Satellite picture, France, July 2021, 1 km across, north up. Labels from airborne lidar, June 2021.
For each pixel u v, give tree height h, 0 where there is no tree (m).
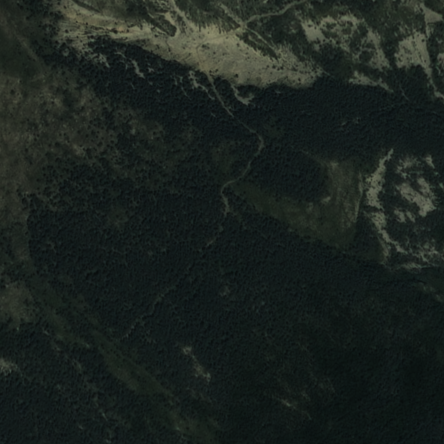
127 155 10
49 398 15
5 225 0
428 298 16
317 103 14
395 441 8
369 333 8
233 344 8
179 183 15
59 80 0
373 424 14
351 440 12
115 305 13
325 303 13
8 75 0
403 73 11
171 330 14
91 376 10
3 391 12
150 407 8
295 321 8
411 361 13
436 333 12
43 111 0
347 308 10
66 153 0
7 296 0
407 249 7
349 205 0
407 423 11
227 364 13
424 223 10
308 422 10
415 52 0
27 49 0
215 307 20
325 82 11
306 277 12
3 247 6
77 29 0
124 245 9
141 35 0
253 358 6
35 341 16
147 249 10
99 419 12
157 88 7
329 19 0
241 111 16
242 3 7
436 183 8
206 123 13
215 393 12
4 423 17
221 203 6
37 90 0
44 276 10
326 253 7
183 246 13
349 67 7
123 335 10
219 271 14
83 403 9
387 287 14
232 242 11
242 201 11
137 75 13
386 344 9
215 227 7
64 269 13
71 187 10
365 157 11
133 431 9
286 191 15
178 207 14
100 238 10
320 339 7
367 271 9
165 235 13
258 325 11
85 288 13
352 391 9
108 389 16
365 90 17
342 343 10
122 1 0
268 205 0
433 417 10
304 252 14
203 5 0
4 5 0
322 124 11
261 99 14
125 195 11
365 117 15
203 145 10
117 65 11
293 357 11
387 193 8
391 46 7
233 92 9
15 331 8
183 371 14
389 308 7
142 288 14
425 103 13
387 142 10
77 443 15
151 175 11
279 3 9
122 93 10
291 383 7
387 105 10
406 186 0
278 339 9
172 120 9
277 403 8
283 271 13
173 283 15
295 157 14
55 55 6
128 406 12
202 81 11
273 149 6
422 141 11
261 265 15
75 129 0
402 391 10
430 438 14
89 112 0
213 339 10
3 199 0
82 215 13
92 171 9
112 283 16
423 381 12
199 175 7
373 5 6
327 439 12
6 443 12
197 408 10
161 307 14
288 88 9
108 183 12
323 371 8
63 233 13
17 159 0
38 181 6
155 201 11
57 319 0
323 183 9
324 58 7
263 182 12
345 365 9
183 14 0
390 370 14
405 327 12
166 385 7
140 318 14
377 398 12
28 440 17
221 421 11
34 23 0
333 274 14
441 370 9
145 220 11
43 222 12
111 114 7
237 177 9
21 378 8
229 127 14
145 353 10
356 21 0
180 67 7
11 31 0
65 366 10
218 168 6
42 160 0
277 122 11
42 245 13
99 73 9
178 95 9
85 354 15
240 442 8
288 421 9
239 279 8
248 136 10
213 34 0
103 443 9
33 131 0
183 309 12
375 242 12
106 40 9
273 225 15
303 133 12
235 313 17
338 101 9
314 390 6
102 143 6
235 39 0
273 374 7
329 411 10
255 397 7
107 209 7
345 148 12
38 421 15
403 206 9
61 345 12
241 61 0
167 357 13
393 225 9
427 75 8
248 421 16
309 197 12
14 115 0
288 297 13
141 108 12
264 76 0
